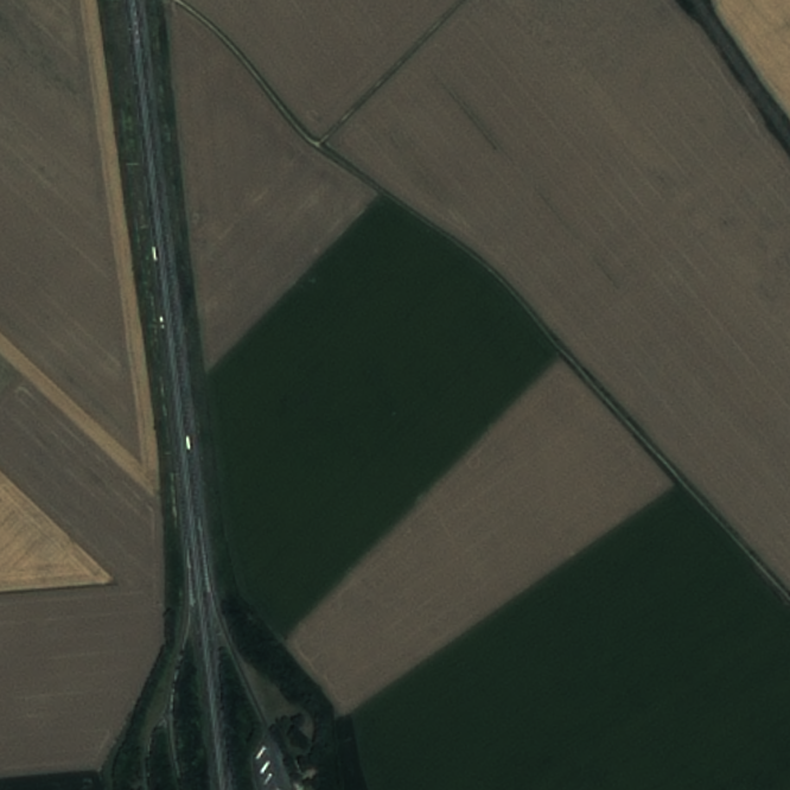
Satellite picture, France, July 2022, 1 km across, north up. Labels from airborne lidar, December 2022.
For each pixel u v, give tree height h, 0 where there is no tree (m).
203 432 0
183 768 7
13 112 0
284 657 13
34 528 0
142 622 0
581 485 0
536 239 0
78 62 0
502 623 0
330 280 0
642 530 0
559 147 0
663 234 0
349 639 0
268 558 0
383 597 0
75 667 0
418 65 0
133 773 10
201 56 0
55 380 0
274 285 0
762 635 0
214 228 0
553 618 0
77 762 0
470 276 0
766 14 0
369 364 0
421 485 0
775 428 0
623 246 0
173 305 0
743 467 0
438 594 0
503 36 0
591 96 0
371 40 0
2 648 0
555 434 0
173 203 0
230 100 0
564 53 0
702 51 0
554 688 0
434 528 0
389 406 0
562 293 0
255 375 0
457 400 0
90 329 0
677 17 0
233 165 0
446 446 0
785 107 0
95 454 0
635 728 0
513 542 0
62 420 0
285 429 0
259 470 0
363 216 0
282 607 0
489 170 0
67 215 0
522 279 0
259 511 0
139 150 0
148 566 0
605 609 0
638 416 0
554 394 0
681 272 0
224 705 12
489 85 0
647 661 0
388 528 0
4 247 0
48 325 0
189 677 10
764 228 0
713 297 0
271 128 0
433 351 0
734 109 0
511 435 0
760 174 0
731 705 0
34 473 0
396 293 0
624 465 0
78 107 0
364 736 0
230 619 12
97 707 0
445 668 0
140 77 0
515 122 0
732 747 0
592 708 0
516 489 0
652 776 0
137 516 0
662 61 0
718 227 0
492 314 0
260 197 0
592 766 0
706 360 0
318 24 0
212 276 0
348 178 0
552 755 0
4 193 0
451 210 0
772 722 0
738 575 0
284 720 9
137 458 0
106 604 0
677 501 0
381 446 0
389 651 0
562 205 0
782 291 0
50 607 0
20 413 0
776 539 0
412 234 0
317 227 0
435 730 0
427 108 0
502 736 0
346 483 0
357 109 0
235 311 0
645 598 0
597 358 0
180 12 0
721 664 0
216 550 0
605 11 0
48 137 0
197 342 0
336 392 0
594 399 0
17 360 0
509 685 0
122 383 0
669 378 0
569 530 0
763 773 0
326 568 0
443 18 0
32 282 0
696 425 0
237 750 8
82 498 0
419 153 0
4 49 0
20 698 0
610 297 0
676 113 0
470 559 0
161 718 0
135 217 0
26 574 0
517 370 0
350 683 0
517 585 0
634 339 0
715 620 0
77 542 0
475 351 0
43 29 0
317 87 0
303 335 0
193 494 0
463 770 0
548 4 0
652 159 0
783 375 0
